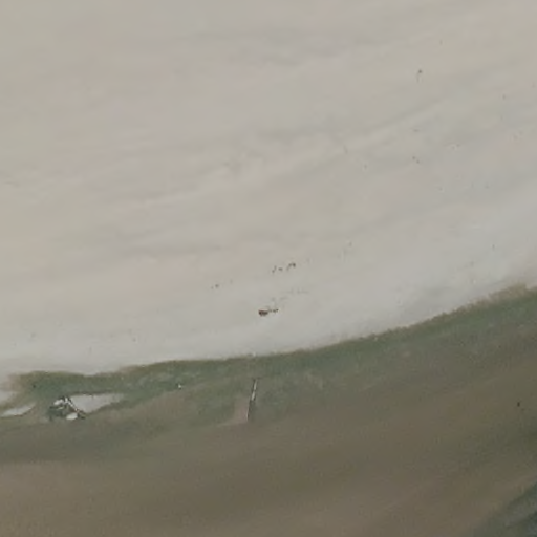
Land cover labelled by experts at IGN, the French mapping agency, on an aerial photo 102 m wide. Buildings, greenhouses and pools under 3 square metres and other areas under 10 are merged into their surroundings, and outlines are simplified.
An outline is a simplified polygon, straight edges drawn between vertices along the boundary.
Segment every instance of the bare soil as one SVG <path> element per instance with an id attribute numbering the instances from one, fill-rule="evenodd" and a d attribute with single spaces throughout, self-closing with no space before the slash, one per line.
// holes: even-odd
<path id="1" fill-rule="evenodd" d="M 113 392 L 57 399 L 55 405 L 71 405 L 73 409 L 67 415 L 67 420 L 78 420 L 84 411 L 94 411 L 111 403 L 120 403 L 122 394 Z"/>
<path id="2" fill-rule="evenodd" d="M 321 348 L 355 338 L 365 338 L 371 334 L 382 334 L 396 327 L 411 327 L 415 323 L 485 300 L 491 294 L 508 289 L 512 285 L 524 285 L 529 289 L 537 287 L 537 0 L 0 0 L 0 384 L 6 382 L 13 373 L 59 371 L 96 375 L 120 371 L 124 367 L 151 365 L 164 361 L 208 361 L 245 355 L 260 357 Z"/>

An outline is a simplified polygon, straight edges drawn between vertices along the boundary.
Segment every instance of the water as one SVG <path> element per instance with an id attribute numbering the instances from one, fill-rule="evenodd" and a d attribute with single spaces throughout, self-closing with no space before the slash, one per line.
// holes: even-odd
<path id="1" fill-rule="evenodd" d="M 57 399 L 113 392 L 122 394 L 120 403 L 111 403 L 94 411 L 84 411 L 78 420 L 67 420 L 67 415 L 73 409 L 71 405 L 55 405 Z M 512 285 L 508 289 L 491 294 L 485 300 L 415 323 L 411 327 L 396 327 L 382 334 L 371 334 L 365 338 L 355 338 L 321 348 L 260 357 L 245 355 L 208 361 L 164 361 L 151 365 L 124 367 L 120 371 L 96 375 L 59 371 L 13 373 L 6 382 L 0 384 L 0 537 L 537 537 L 537 287 L 529 289 L 524 285 Z"/>

